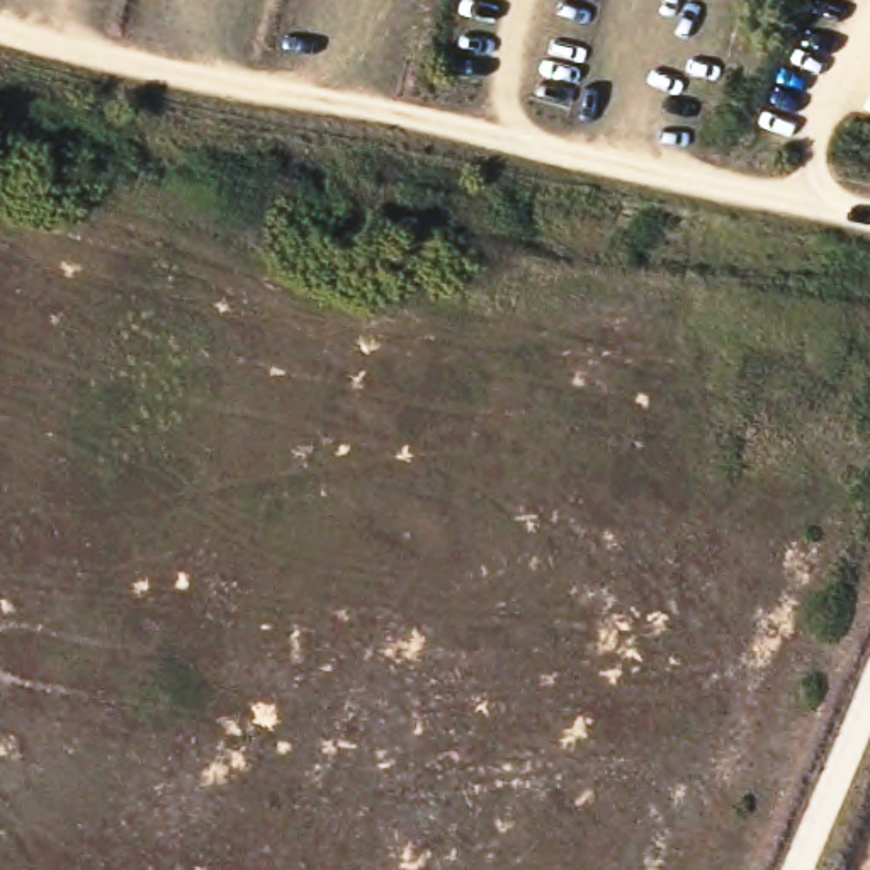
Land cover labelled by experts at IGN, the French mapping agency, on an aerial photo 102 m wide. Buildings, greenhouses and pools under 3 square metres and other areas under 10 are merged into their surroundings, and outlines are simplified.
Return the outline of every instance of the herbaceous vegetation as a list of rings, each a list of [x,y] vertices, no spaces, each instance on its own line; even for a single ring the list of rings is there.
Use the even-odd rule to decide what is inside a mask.
[[[639,211],[653,207],[680,218],[680,224],[669,228],[653,248],[656,258],[734,262],[765,272],[836,265],[843,258],[843,245],[829,238],[829,231],[836,228],[812,218],[737,207],[710,197],[537,163],[527,156],[506,156],[472,143],[415,133],[391,122],[170,88],[167,109],[160,116],[133,109],[129,126],[146,136],[146,146],[156,156],[170,156],[177,163],[184,163],[184,146],[218,146],[228,153],[248,153],[279,143],[306,163],[319,167],[323,160],[347,153],[343,143],[353,143],[357,150],[381,150],[398,160],[449,167],[459,173],[459,187],[466,187],[469,194],[476,194],[483,184],[493,184],[500,194],[520,184],[540,184],[534,204],[534,221],[540,241],[547,245],[540,258],[520,251],[510,268],[496,272],[489,282],[469,292],[469,309],[452,309],[449,302],[428,302],[428,296],[421,296],[404,309],[387,309],[374,316],[367,306],[340,299],[330,285],[306,289],[302,279],[289,275],[268,251],[265,228],[218,224],[214,211],[197,211],[190,204],[190,190],[184,180],[163,180],[163,187],[139,180],[122,184],[109,207],[95,211],[88,224],[54,224],[31,231],[0,228],[0,870],[401,870],[404,846],[411,846],[415,853],[459,850],[459,860],[445,870],[782,870],[870,659],[870,309],[768,296],[741,289],[737,279],[727,275],[646,272],[629,262],[625,228],[636,221]],[[782,602],[788,581],[785,551],[802,551],[812,585],[826,588],[829,581],[836,581],[839,561],[860,568],[856,615],[850,622],[850,632],[839,642],[829,642],[795,619],[785,642],[775,649],[771,663],[754,666],[754,615],[758,608],[778,608]],[[632,605],[646,612],[663,612],[666,629],[653,632],[646,619],[636,619],[629,629],[639,659],[602,653],[602,608],[571,598],[571,585],[608,588],[615,595],[619,612]],[[258,724],[251,734],[228,734],[224,720],[245,717],[248,710],[255,710],[255,703],[275,707],[275,724]],[[241,751],[245,768],[211,785],[204,782],[204,768],[214,761],[218,744],[224,744],[228,751]],[[540,761],[534,778],[544,778],[547,799],[534,799],[527,788],[466,795],[469,785],[496,782],[496,775],[479,775],[479,765],[523,765],[523,751],[530,751]]]
[[[870,785],[863,792],[860,812],[850,816],[853,829],[846,833],[839,870],[870,870]]]
[[[68,102],[68,109],[85,109],[92,95],[116,95],[133,102],[133,92],[143,82],[0,44],[0,85],[27,88],[41,78],[48,88],[54,88],[54,95]]]

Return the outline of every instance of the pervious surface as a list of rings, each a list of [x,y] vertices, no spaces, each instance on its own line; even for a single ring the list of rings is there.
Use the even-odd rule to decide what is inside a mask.
[[[248,710],[245,717],[224,720],[228,734],[251,734],[258,724],[275,724],[275,707],[255,703],[255,710]]]
[[[527,788],[534,799],[547,799],[544,778],[534,778],[540,761],[530,751],[523,751],[523,765],[479,765],[479,775],[496,775],[496,782],[469,785],[466,795]]]
[[[404,846],[401,870],[445,870],[459,860],[459,850],[415,853],[411,846]]]
[[[228,751],[224,744],[218,744],[214,761],[204,768],[204,782],[211,785],[245,768],[241,751]]]
[[[758,608],[754,615],[754,666],[771,663],[775,649],[785,642],[795,619],[799,602],[812,585],[802,551],[785,551],[788,581],[782,602],[778,608]]]
[[[850,194],[839,187],[829,167],[829,139],[846,116],[870,112],[870,0],[850,0],[853,14],[846,20],[822,14],[826,31],[839,31],[846,37],[846,44],[833,54],[833,65],[819,65],[816,58],[809,58],[805,51],[812,41],[799,41],[799,48],[792,51],[792,65],[802,71],[775,75],[771,105],[758,116],[758,126],[785,139],[809,139],[809,160],[788,177],[761,180],[700,163],[690,150],[676,146],[673,133],[666,133],[669,116],[697,116],[700,105],[717,109],[724,99],[724,78],[731,71],[754,75],[761,61],[778,48],[778,37],[761,37],[748,31],[748,0],[0,0],[0,44],[143,82],[163,82],[170,88],[391,122],[415,133],[472,143],[506,156],[527,156],[537,163],[710,197],[737,207],[812,218],[836,228],[870,234],[870,194]]]
[[[870,785],[870,761],[860,754],[860,765],[833,819],[816,870],[839,870],[846,833],[853,829],[850,816],[860,812],[863,792]]]
[[[571,585],[571,598],[602,608],[602,653],[639,659],[629,629],[636,619],[646,619],[653,632],[666,629],[663,612],[646,612],[632,605],[619,612],[615,595],[608,588]]]

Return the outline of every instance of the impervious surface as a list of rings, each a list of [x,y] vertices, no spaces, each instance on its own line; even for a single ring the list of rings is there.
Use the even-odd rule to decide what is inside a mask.
[[[833,819],[860,765],[860,754],[870,761],[870,659],[782,870],[816,870]]]

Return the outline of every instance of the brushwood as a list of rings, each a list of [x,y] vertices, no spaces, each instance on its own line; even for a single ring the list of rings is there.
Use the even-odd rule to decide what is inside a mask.
[[[826,588],[812,585],[799,602],[795,619],[829,642],[839,642],[850,632],[850,622],[856,615],[860,568],[839,561],[836,581],[829,581]]]
[[[839,187],[850,194],[870,194],[870,112],[846,116],[829,139],[829,167]]]
[[[761,61],[754,75],[731,71],[724,78],[724,99],[717,109],[700,105],[697,116],[669,116],[666,133],[673,133],[676,146],[690,150],[700,163],[761,180],[788,177],[809,160],[809,139],[785,139],[758,126],[758,116],[771,105],[775,75],[802,71],[792,65],[792,51],[799,48],[799,41],[812,41],[805,51],[809,58],[816,58],[819,65],[833,65],[833,54],[846,44],[846,37],[839,31],[826,31],[822,14],[846,20],[853,14],[850,0],[748,0],[748,31],[761,37],[778,37],[778,48]]]
[[[367,306],[374,316],[387,309],[404,309],[421,296],[428,296],[428,302],[449,302],[452,309],[469,309],[469,292],[489,282],[496,272],[510,268],[520,251],[540,258],[547,245],[540,241],[534,221],[534,204],[540,184],[520,184],[500,194],[493,184],[483,184],[476,194],[469,194],[466,187],[459,187],[459,173],[449,167],[398,160],[381,150],[357,150],[353,143],[343,143],[347,153],[323,160],[319,167],[306,163],[279,143],[248,153],[228,153],[218,146],[184,146],[184,163],[177,163],[170,156],[156,156],[146,146],[146,136],[129,126],[133,109],[160,116],[167,109],[170,88],[163,82],[143,82],[133,92],[133,102],[116,95],[92,95],[85,109],[68,109],[68,102],[54,95],[54,88],[48,88],[41,78],[27,88],[0,85],[0,228],[31,231],[54,224],[88,224],[95,211],[109,207],[122,184],[139,180],[163,187],[163,180],[184,180],[190,190],[190,204],[197,211],[214,211],[218,224],[265,228],[268,251],[289,275],[302,279],[306,289],[330,285],[340,299]]]
[[[646,272],[727,275],[737,279],[741,289],[768,296],[870,309],[870,234],[836,228],[829,231],[829,238],[843,245],[843,258],[836,265],[765,272],[734,262],[656,258],[653,248],[669,228],[680,224],[680,218],[653,207],[639,211],[636,221],[625,228],[629,262]]]

